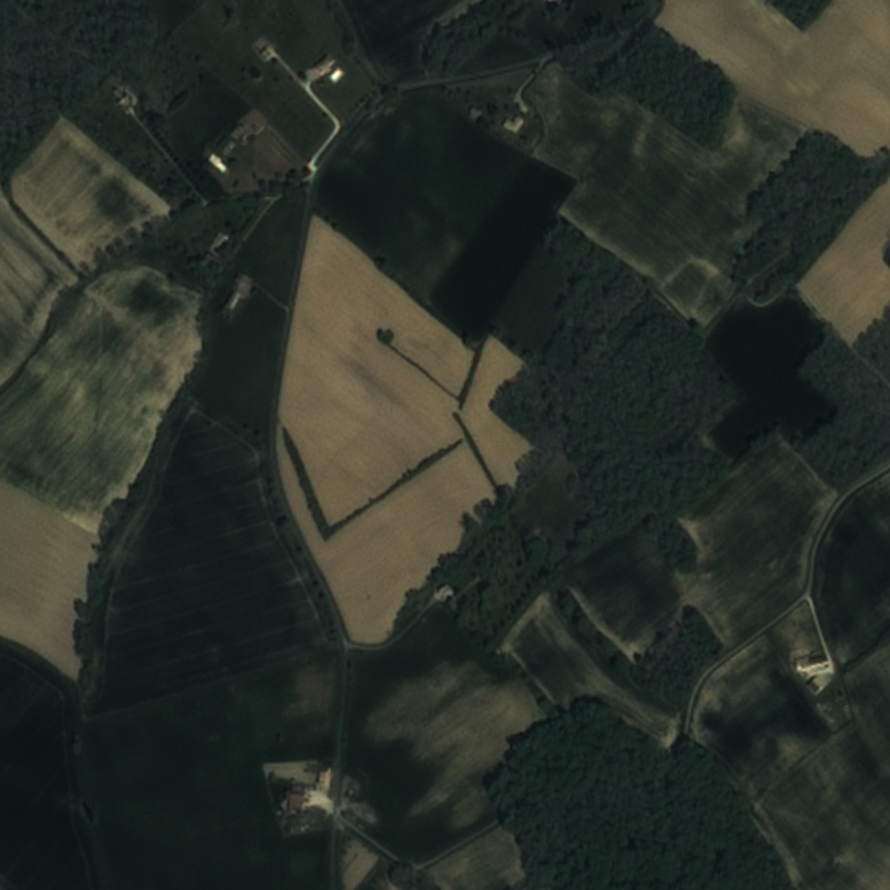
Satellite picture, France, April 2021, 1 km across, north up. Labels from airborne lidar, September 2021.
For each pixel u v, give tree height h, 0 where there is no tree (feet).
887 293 0
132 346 0
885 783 0
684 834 80
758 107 0
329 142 0
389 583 0
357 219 0
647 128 0
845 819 0
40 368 0
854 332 0
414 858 0
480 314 0
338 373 0
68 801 0
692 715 0
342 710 0
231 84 0
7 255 0
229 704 0
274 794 0
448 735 0
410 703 0
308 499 24
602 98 59
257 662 0
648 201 0
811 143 48
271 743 0
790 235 64
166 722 0
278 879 0
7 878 0
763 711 0
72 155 0
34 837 0
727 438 0
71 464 0
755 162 0
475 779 0
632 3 38
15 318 0
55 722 0
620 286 58
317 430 0
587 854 96
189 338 0
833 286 0
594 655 0
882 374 55
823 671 0
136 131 0
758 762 0
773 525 0
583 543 52
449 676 0
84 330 0
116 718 0
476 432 0
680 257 0
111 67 61
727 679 0
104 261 64
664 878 89
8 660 0
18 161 62
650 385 58
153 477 0
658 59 75
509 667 34
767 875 92
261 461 0
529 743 58
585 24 0
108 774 0
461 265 0
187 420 0
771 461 0
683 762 80
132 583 0
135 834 0
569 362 39
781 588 0
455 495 0
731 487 0
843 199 63
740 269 35
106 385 0
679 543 40
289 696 0
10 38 62
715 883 78
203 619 0
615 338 49
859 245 0
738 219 0
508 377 0
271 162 0
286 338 0
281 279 0
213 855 0
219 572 0
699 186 0
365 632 0
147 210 0
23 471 0
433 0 0
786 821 0
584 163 0
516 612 40
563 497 0
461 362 0
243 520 0
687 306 0
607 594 0
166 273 0
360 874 0
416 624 0
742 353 0
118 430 0
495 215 0
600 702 0
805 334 0
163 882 0
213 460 0
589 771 64
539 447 52
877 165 42
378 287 0
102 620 0
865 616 0
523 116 29
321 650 0
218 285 38
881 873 0
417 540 0
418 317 0
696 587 0
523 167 0
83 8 57
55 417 0
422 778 0
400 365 0
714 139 56
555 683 0
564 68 32
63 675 0
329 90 0
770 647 0
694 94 68
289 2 0
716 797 96
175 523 0
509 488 0
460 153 0
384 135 0
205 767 0
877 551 0
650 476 77
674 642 52
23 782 0
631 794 74
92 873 0
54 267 0
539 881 67
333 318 0
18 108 46
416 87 0
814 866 0
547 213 0
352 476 0
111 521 59
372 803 0
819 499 0
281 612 0
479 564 32
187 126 0
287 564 0
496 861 0
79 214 0
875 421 32
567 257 59
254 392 0
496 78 0
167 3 0
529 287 0
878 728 0
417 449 0
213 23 0
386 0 0
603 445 78
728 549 0
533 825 69
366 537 0
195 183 28
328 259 0
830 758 0
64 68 53
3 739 0
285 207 0
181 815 0
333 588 0
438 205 0
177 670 0
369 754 0
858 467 39
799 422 0
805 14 72
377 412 0
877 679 0
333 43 0
